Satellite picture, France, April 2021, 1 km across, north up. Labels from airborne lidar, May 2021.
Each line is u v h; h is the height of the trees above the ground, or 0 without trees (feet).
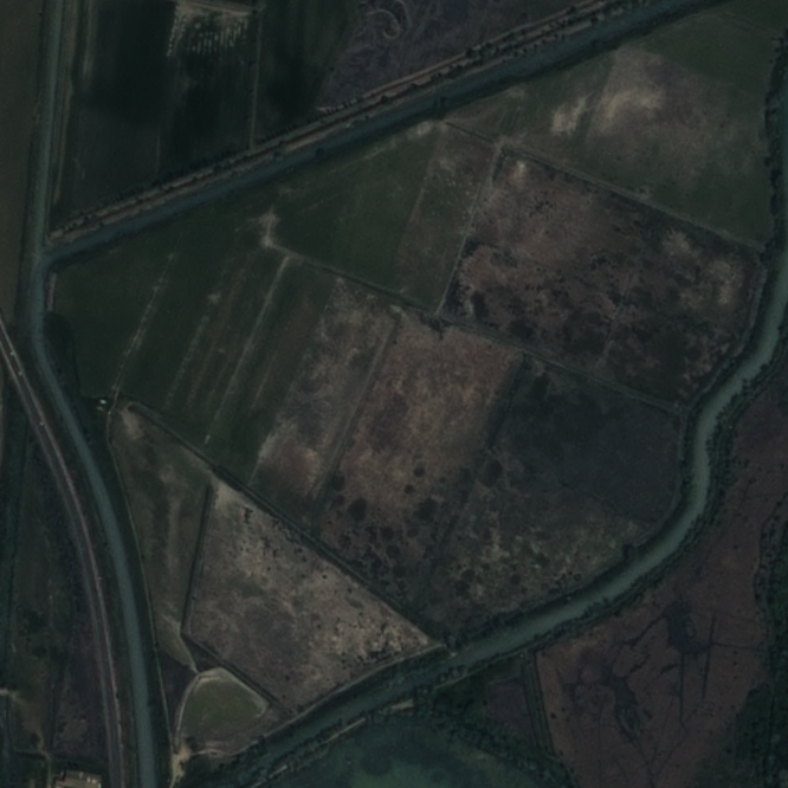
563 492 0
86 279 0
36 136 0
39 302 0
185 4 0
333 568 0
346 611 0
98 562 0
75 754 0
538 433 0
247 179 0
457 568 0
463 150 0
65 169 0
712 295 0
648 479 0
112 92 0
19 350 0
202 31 0
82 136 0
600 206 0
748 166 0
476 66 21
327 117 31
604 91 0
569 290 0
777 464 0
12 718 0
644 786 0
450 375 0
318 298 0
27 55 0
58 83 0
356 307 0
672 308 0
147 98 0
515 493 0
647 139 0
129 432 0
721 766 0
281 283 0
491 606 0
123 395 0
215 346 0
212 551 0
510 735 38
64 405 0
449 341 0
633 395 0
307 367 0
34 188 0
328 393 0
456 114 0
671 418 0
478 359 0
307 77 0
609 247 0
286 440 0
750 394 28
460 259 0
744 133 0
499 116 0
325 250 0
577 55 0
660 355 0
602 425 0
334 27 0
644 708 0
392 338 0
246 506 0
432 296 0
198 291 0
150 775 0
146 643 0
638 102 0
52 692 0
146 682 0
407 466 0
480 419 0
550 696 0
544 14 0
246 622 0
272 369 0
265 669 0
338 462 0
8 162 0
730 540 0
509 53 33
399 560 0
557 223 0
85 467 0
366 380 0
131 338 0
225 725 0
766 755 26
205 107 0
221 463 0
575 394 0
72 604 0
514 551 0
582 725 0
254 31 0
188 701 0
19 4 0
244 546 0
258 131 0
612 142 0
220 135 0
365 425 0
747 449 0
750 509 0
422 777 0
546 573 0
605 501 0
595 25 31
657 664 0
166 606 0
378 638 0
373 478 0
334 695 0
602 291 0
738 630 0
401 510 0
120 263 0
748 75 0
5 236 0
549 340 0
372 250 0
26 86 0
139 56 0
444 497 0
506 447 0
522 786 0
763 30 0
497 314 0
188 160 0
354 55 0
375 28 0
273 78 0
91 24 0
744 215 0
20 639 0
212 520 0
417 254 0
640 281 0
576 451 0
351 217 0
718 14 0
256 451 0
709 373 0
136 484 0
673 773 0
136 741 0
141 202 29
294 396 0
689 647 0
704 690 0
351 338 0
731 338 0
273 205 0
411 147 0
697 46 0
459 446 0
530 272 0
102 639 0
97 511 0
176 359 0
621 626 0
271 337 0
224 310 0
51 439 0
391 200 0
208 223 0
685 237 0
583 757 0
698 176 0
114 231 0
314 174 0
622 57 0
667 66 0
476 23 0
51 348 0
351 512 0
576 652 0
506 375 0
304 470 0
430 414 0
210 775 0
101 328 0
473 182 0
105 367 0
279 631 0
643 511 0
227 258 0
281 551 0
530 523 0
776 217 47
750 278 0
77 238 0
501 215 0
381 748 0
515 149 0
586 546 0
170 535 0
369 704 0
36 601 0
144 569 0
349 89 0
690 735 0
